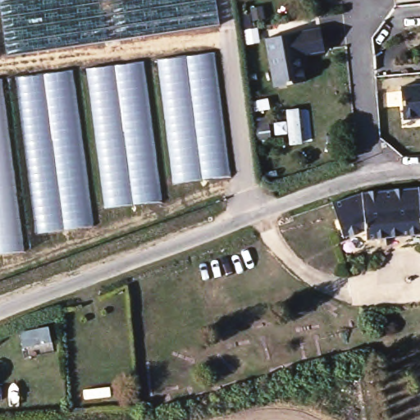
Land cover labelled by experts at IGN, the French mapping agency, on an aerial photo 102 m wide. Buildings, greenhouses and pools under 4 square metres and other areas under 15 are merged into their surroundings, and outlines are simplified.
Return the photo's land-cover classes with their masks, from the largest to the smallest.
<instances>
[{"label":"herbaceous vegetation","instance_id":"1","mask_svg":"<svg viewBox=\"0 0 420 420\"><path fill-rule=\"evenodd\" d=\"M218 20L221 25L226 21L236 23L251 144L259 138V130H269V136L276 135L274 125L279 121H285L287 110H295L300 103H310L315 138H302L300 144L320 149L323 153L330 151V128L336 121L341 120H345L349 113H353L351 102L356 100V95L348 92L346 61H351V43L345 44L341 41L340 46L328 49L325 59L330 61V67H326L322 74L317 75L315 79L292 82L289 87L276 89L272 87V72L267 61L266 39L269 34L267 31L271 30L272 26L287 21L305 20L307 25L312 23L313 18L317 16L313 13L317 10L315 0H217ZM249 28L258 30V43H246L244 33ZM262 98L269 100V110L259 112L256 102ZM136 62H143L148 84L157 172L161 184L162 202L157 205L133 203L131 207L115 208H105L103 205L87 72L80 69L79 64H71V71L74 74L75 95L79 107L94 225L105 226L123 218L139 217L146 210L156 213L157 220L71 249L46 261L21 267L0 277V295L20 289L23 285L46 282L57 274L75 271L85 264L102 261L108 256L126 253L141 244L161 240L164 236L182 231L184 228H195L199 223H207L208 218L218 217L220 213L225 212L228 205L223 202L221 195H217L169 215L167 202H174L185 195L199 192L202 185V182L172 184L157 64L151 57H135ZM23 249L26 251L46 248L62 243L64 233L36 231L16 82H8L3 74L2 80ZM382 139L392 144L405 157H417L420 161V118L407 120L404 105H386L379 110ZM420 187V180L369 185L361 189L363 192H376ZM284 217H292V223L281 225L277 231L287 246L297 254V258L302 259L305 264L326 274H335L338 266L343 264L341 253L345 251L343 244L348 241V235L343 233V230L335 228L338 217L333 207V197L305 203L302 207L282 213ZM126 274L133 281H138L141 287L146 366L166 361L169 371L162 389L151 390L149 397L162 395L164 399L171 400L176 395L199 394L190 379V371L195 363L207 364L213 381L217 382L213 390L236 384L254 372L277 371L281 367H290L295 361L308 356L367 343L356 330V320L364 315V305H353L346 300L338 299L331 292H326L320 284H305L290 267L285 266L281 258H277L276 254L269 251L254 226H246L233 231L230 235L221 236L218 240L200 244L197 248L161 259L148 266L138 267ZM77 299L92 300V304L85 307H67V312L74 313L75 317V369L79 377V386L84 390L102 387L108 389L118 374L133 376L136 358L135 338L131 325L130 290L128 285H121L118 289L102 294L100 284L75 290L71 294ZM404 313L400 317L405 320L404 330L386 336L377 333L376 340L372 343L374 353L384 358L386 379L381 381V386L389 420H420V302L402 304ZM405 372H410L417 381L418 389L415 394H405V384H399L397 381L405 376ZM61 354L52 348L44 351H23L20 335L7 318L0 320V407L18 405L20 397L16 384L20 381H26L30 387L26 399L28 407L44 404L61 405V410L56 413H18L13 415V418L10 415H0V420H133L125 413L87 415L84 409L69 412L66 405L64 376L59 367Z\"/></svg>","mask_w":420,"mask_h":420},{"label":"greenhouse","instance_id":"2","mask_svg":"<svg viewBox=\"0 0 420 420\"><path fill-rule=\"evenodd\" d=\"M221 25L218 20L217 0H0V56H26L28 52L46 49ZM172 184L202 182V185L207 179H217L220 172L230 176L215 56L199 54L174 57L161 59L157 64ZM103 205L105 208H115L131 207L133 203L157 205L162 202L161 184L157 172L148 84L143 62H136L121 66L95 67L87 72ZM36 231L64 233L75 228H84V225H94L79 107L75 95L74 74L71 71L28 75L18 77L16 82ZM23 249L2 80H0V256L21 253Z\"/></svg>","mask_w":420,"mask_h":420},{"label":"impervious surface","instance_id":"3","mask_svg":"<svg viewBox=\"0 0 420 420\"><path fill-rule=\"evenodd\" d=\"M353 5V8L343 15L328 13L317 16L313 18L312 23L320 26L323 46L328 49L340 46L341 41L345 44L351 43V61H346L348 92L356 95V100L351 102L353 113H349L345 120H341L346 133L354 138L356 149L353 153L358 154L359 162L363 164L358 171L325 180L322 184L310 185L297 190L294 194L272 197L271 190L267 189L266 185L258 184L256 180L251 144L236 23L226 21L221 25L217 33L190 34L192 38L189 39V44L192 48L220 49L223 57L226 98L236 162L235 176L228 182H223L228 195H233V200H230L228 205L225 212L220 213L218 217L208 218L207 223H199L195 228H184L182 231L164 236L161 240L141 244L126 253L108 256L102 261L85 264L75 271L57 274L46 282L23 285L20 289L0 295V320L7 318L71 294L75 290L100 284L126 274L138 267L148 266L161 259L197 248L200 244L218 240L221 236L230 235L233 231L246 226H254L269 251L276 254L277 258H281L285 266L290 267L305 284H320L326 292H331L338 299L346 300L353 305H364L402 304L420 302V233L397 236L394 243H387L384 238H369L367 223H363L361 233L349 230L348 235V241L343 244L345 251L374 253L376 249H392V259L387 266L376 271H366L361 276L348 279L335 274H326L305 264L302 259L297 258V254L287 246L277 231L281 225L292 223V217H284L282 213L302 207L305 203L333 197L345 194L349 190L361 189L369 185L420 180V161L417 157H405L392 144L382 139L379 110L386 105H404L402 87L420 79V64H397L395 57L404 54L407 49L420 46V0H343ZM405 28L417 34L415 39L387 48L386 57L379 56L376 59L374 46L382 43L384 38H394L395 34L402 33ZM307 25L305 20L287 21L272 26L271 30L267 31L269 34L284 33Z\"/></svg>","mask_w":420,"mask_h":420},{"label":"brushwood","instance_id":"4","mask_svg":"<svg viewBox=\"0 0 420 420\"><path fill-rule=\"evenodd\" d=\"M417 34L405 28L402 33L395 34L394 38H384L382 43L374 46L376 59L379 56L386 57L387 48L415 39ZM397 64H420V46L407 49L404 54L395 57ZM256 180L258 184L266 185L267 189L271 190L272 197L294 194L297 190L310 185L322 184L325 180L358 171L363 164L359 162L358 154L353 153L346 161L341 154L330 151L323 153L320 149L300 144H290L287 135H276L269 136L266 143H262L259 138L251 144ZM392 249H376L374 253L345 251L341 253L343 264L338 266L335 274L348 279L361 276L366 271H376L387 266L392 259ZM121 285H128L130 290L131 325L135 338L136 358L133 376L138 386V399L141 404L135 407H120L118 400H110L108 397L87 400L84 399V390L79 386V377L75 369V317L74 313L67 312V307H85L92 304V300L77 299L71 294L7 318L20 335L23 331L49 328L52 348L61 354L59 367L64 376L66 405L69 412L84 409L87 415L125 413L133 420H208L253 407H264L274 404L277 400L308 405L335 417L336 413L346 409L348 405V395L341 392V387L356 390L354 381L371 374L374 387L381 386V381L386 379L384 358L374 353L372 343H367L308 356L295 361L290 367H281L277 371L254 372L236 384L213 390H205L199 394L176 395L171 400L164 399L162 395L149 397L151 390L162 389L169 371L166 361L146 366L141 287L138 281H133L126 274L100 284L102 294L118 289ZM397 381L399 384H405V394H415L418 389L417 381L410 372H405V376ZM20 397L18 405L0 407V415H10L13 418V415L18 413H56L61 410V405L44 404L28 407L26 399L30 387L26 381H20L16 384Z\"/></svg>","mask_w":420,"mask_h":420},{"label":"pervious surface","instance_id":"5","mask_svg":"<svg viewBox=\"0 0 420 420\"><path fill-rule=\"evenodd\" d=\"M221 25L46 49L28 52L26 56H0V80H2L3 74L8 82H16L18 77L28 75L71 71V64H79L80 69L87 72L95 67L121 66L136 62L135 57H151L157 64L161 59L174 57L199 54L215 56L230 176L220 172L217 179H207L202 185L199 192L185 195L174 202H167L169 215L217 195H221L223 202L228 205L230 200H233V195H228L223 182H228L235 176L236 162L226 98L223 57L220 49L192 48L189 44V39L192 38L190 34L217 33ZM157 220L156 213L146 210L139 217L123 218L105 226L94 225H84V228H75L64 233L62 243L46 248L26 251L23 249L21 253L0 256V277L21 267L46 261L71 249ZM356 390L341 387V392L348 395V405L346 409L336 413L335 417L338 420H389L381 386L374 387L371 374L354 381Z\"/></svg>","mask_w":420,"mask_h":420},{"label":"building","instance_id":"6","mask_svg":"<svg viewBox=\"0 0 420 420\"><path fill-rule=\"evenodd\" d=\"M267 61L272 72V87L276 89L289 87L292 82L315 79L317 75L322 74L326 67H330V61L325 59L328 49L323 46L320 26L312 23L307 25L284 33L269 34L266 39ZM246 43H258V30L249 28L244 33ZM404 105L407 120L420 118V79L402 87ZM259 112L269 110V100L262 98L256 102ZM285 121H279L274 125L276 135H287L290 144H300L302 138H315L310 103H300L295 110H287ZM259 138L262 143H266L269 136V130H259ZM333 207L338 217L335 228L343 230V233L348 235L349 230L361 233L363 223H367L369 238H384L387 243H394L397 236L420 233V187L376 192H363L361 189L349 190L345 194L333 197ZM23 351H44L52 348L49 328L23 331L20 335ZM108 397V389L102 387L84 390V399L87 400Z\"/></svg>","mask_w":420,"mask_h":420},{"label":"deciduous trees","instance_id":"7","mask_svg":"<svg viewBox=\"0 0 420 420\"><path fill-rule=\"evenodd\" d=\"M317 10L313 13L317 16L328 13L343 15L353 8V5L343 0H315ZM330 151L341 154L346 161L353 153L356 149L354 138L346 133L341 120L336 121L330 128ZM364 315L356 320V330L367 343H372L376 340L377 333L386 336L404 330L405 320L400 317L404 313L402 304L364 305ZM190 379L199 394L205 390H213L217 382L213 381L207 364L195 363L190 371ZM108 389V397L110 400H118L120 407H135L141 404L138 399V386L133 376L118 374Z\"/></svg>","mask_w":420,"mask_h":420},{"label":"agricultural land","instance_id":"8","mask_svg":"<svg viewBox=\"0 0 420 420\"><path fill-rule=\"evenodd\" d=\"M208 420H338L335 417L308 405L277 400L274 404L264 407H253Z\"/></svg>","mask_w":420,"mask_h":420}]
</instances>
